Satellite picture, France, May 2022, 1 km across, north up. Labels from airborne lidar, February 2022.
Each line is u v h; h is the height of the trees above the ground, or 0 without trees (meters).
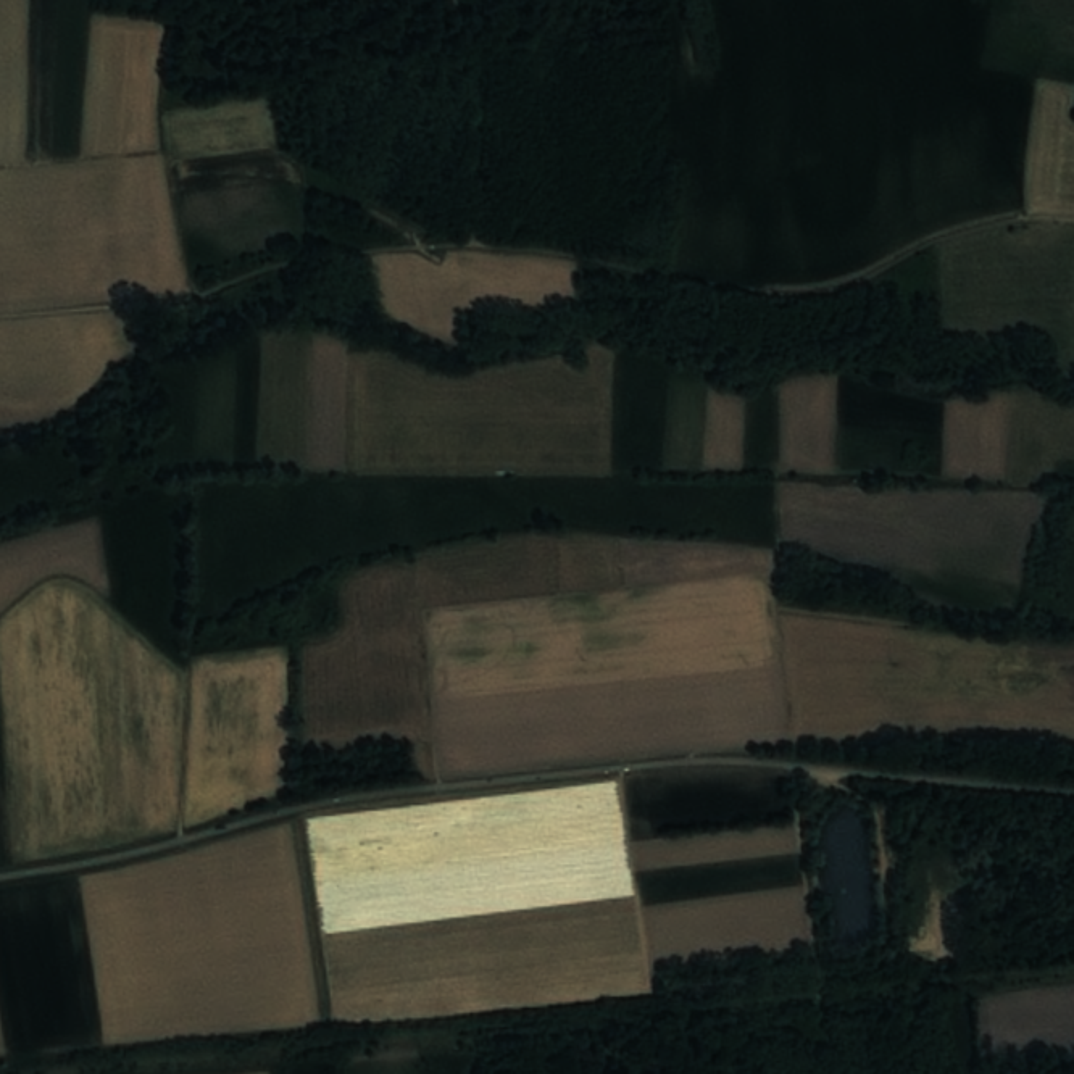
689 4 20
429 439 0
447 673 0
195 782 0
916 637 0
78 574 0
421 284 0
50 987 0
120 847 0
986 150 0
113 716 0
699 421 0
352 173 15
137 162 0
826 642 0
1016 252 0
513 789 0
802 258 0
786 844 0
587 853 0
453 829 0
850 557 0
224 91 21
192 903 0
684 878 0
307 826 0
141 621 0
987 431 0
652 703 0
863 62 0
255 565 0
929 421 0
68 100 0
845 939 0
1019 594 0
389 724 0
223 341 34
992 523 0
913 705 0
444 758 0
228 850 0
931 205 0
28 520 21
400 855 0
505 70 20
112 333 0
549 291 0
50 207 0
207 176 0
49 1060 0
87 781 0
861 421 0
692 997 17
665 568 0
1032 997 0
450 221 24
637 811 0
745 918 0
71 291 0
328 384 0
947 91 0
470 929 0
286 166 0
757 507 0
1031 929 10
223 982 0
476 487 0
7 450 24
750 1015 15
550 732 0
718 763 0
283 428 0
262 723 0
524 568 0
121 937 0
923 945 0
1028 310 0
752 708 0
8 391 0
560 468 0
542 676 0
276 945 0
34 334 0
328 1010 0
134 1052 0
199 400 0
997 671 0
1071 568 0
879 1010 17
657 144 13
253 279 0
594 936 0
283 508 0
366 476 0
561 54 20
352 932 0
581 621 0
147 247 0
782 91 0
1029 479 0
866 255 0
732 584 0
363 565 7
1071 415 0
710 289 14
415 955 0
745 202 0
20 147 0
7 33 0
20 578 0
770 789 0
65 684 0
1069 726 0
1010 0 0
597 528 0
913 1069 21
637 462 0
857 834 0
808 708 0
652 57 24
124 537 0
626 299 21
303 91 19
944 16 0
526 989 0
